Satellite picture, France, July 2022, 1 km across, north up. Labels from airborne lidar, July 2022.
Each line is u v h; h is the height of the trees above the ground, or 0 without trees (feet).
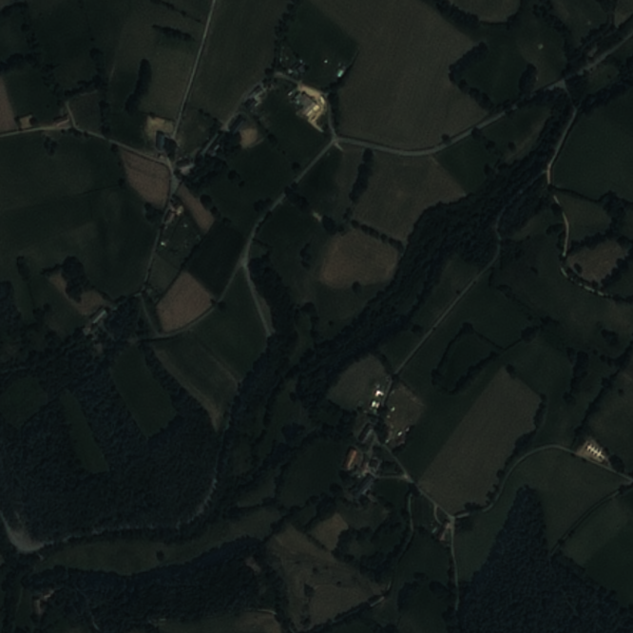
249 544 72
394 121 0
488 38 0
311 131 0
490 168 52
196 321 0
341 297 0
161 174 0
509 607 77
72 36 0
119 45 0
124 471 80
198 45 0
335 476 0
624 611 49
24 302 0
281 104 0
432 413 0
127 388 0
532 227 0
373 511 0
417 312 24
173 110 0
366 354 47
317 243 0
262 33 0
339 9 0
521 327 0
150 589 89
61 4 0
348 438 67
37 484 78
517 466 0
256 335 0
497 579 84
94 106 0
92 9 0
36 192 0
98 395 82
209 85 0
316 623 0
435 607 0
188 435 78
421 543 0
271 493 0
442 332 0
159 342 21
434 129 0
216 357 0
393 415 0
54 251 0
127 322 56
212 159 55
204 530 53
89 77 0
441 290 0
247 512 28
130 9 0
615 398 0
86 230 0
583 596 68
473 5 0
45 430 80
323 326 0
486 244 41
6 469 57
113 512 36
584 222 0
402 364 0
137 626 61
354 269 0
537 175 55
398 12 0
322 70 0
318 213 0
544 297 0
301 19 0
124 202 0
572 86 61
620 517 0
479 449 0
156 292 20
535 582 85
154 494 59
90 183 0
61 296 0
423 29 0
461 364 0
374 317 50
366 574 54
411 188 0
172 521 76
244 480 25
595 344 0
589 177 0
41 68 40
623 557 0
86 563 0
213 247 0
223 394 0
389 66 0
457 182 0
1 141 0
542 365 0
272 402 58
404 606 70
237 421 72
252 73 0
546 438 0
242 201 0
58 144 45
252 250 0
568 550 0
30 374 26
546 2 41
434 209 36
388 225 0
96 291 19
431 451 0
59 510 69
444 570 0
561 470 0
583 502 0
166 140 52
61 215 0
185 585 114
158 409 0
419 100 0
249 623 0
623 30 24
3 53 0
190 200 0
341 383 0
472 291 0
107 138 42
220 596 90
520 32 0
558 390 0
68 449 34
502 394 0
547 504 0
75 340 34
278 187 0
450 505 0
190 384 0
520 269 0
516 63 0
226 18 0
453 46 0
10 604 58
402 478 0
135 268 0
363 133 0
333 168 0
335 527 0
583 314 0
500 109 22
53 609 39
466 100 0
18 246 0
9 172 0
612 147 0
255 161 0
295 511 49
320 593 0
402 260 20
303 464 0
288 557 0
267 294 70
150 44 0
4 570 25
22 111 0
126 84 0
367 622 41
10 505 52
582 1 0
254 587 79
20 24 0
